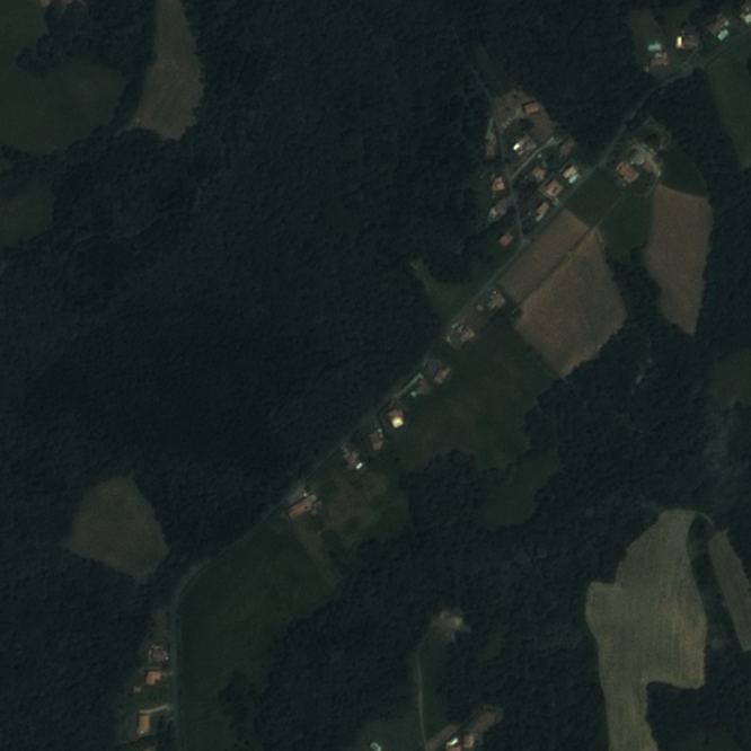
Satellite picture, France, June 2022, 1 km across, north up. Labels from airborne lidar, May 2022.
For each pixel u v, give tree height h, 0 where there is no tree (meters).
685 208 0
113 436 19
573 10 19
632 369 24
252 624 0
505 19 27
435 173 24
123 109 16
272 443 18
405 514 0
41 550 14
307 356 10
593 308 0
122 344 13
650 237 0
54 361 18
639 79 19
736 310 20
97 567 18
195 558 19
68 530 21
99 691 12
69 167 20
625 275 18
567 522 24
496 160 9
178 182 22
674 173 0
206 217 27
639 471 24
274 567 0
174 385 18
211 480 24
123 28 31
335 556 7
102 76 0
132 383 21
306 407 19
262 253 22
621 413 23
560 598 7
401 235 16
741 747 9
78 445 20
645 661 0
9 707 17
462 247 16
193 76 0
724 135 11
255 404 18
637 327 19
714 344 19
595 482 16
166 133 0
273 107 24
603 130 21
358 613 25
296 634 29
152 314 17
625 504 28
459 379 0
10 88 0
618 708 0
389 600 19
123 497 0
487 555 27
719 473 24
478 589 18
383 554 17
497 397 0
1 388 25
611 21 18
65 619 19
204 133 29
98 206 18
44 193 0
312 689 13
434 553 24
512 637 10
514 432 0
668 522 0
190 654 0
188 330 15
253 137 25
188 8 15
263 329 16
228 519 25
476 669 19
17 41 0
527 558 20
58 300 22
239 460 23
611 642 0
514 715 10
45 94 0
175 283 27
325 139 16
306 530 0
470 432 0
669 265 0
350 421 16
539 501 12
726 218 15
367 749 0
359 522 0
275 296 28
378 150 20
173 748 14
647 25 0
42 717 7
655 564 0
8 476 19
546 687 22
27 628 25
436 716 0
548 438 20
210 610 0
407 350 22
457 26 14
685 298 0
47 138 0
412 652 10
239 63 13
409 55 25
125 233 22
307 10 25
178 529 17
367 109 16
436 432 0
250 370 15
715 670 17
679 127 19
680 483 25
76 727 14
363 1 27
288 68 26
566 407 25
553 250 0
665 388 22
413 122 24
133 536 0
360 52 28
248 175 27
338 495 0
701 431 20
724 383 0
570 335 0
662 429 23
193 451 20
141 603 15
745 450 21
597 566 11
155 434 20
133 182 24
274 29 27
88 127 0
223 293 23
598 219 0
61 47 20
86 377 15
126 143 17
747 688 21
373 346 19
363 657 6
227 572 0
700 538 6
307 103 21
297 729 27
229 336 17
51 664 14
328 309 28
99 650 15
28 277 30
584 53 20
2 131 0
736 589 0
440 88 18
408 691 0
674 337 18
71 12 20
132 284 29
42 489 13
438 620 0
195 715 0
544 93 19
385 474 0
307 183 25
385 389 20
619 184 0
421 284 16
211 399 17
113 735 19
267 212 21
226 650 0
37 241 12
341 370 23
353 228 0
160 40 0
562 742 18
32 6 0
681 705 18
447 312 0
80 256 8
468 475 19
